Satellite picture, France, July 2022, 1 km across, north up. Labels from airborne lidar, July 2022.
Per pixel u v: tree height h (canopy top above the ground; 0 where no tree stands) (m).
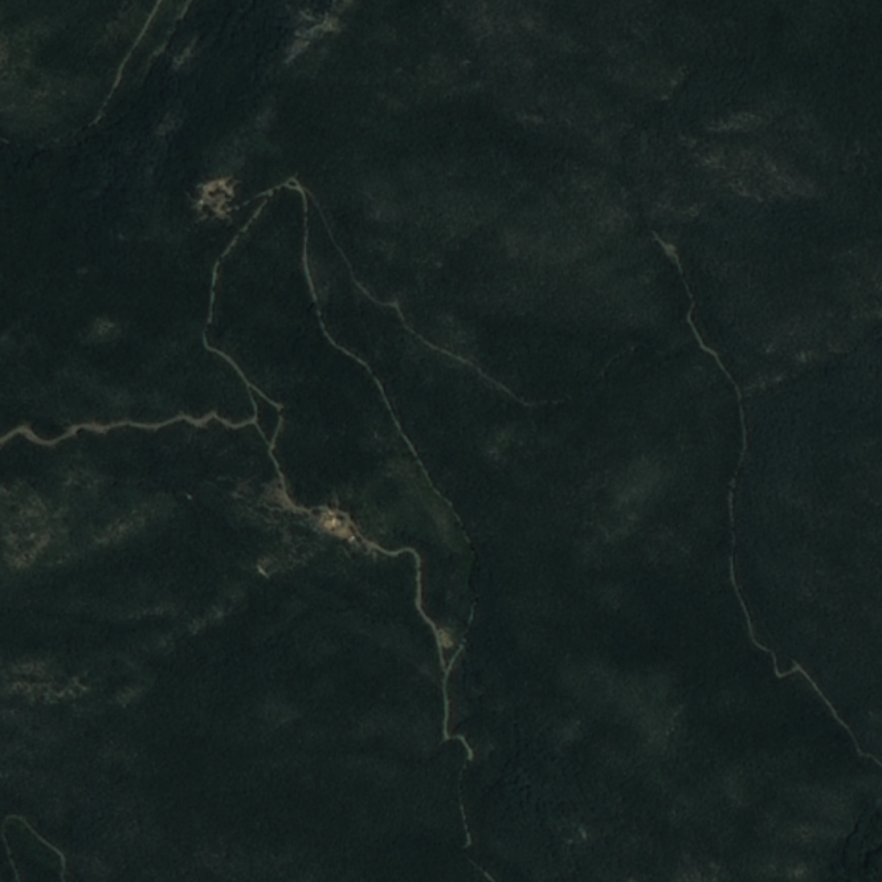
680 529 8
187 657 8
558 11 5
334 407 8
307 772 7
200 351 9
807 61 7
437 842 12
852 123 7
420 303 7
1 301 8
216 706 8
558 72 6
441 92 6
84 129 10
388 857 9
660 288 7
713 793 6
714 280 7
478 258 6
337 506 7
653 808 6
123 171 5
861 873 7
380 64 5
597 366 8
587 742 6
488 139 8
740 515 6
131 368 5
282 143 5
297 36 9
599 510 6
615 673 6
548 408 6
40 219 9
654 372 7
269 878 6
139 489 7
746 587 7
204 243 7
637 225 6
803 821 6
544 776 7
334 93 6
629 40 5
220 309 8
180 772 7
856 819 10
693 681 12
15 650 6
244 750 10
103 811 6
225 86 7
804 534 6
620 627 7
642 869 6
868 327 7
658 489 6
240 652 6
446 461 7
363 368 7
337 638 7
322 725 6
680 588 9
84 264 11
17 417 7
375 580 6
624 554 6
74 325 8
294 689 5
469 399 6
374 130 6
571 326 8
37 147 9
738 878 6
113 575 6
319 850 7
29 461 9
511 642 7
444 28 7
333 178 6
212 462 7
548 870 6
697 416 6
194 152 7
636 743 6
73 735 6
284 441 6
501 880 8
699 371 6
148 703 6
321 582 8
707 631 8
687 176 6
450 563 6
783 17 6
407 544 5
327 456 9
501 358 6
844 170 6
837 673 5
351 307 6
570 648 6
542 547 7
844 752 10
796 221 6
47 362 6
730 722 9
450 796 8
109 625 7
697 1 5
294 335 6
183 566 6
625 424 5
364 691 6
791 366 7
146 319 7
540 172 6
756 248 6
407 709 6
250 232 6
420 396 7
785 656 7
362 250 6
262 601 8
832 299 7
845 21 6
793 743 8
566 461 5
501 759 9
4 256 8
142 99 8
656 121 6
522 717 7
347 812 7
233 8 8
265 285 6
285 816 7
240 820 6
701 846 5
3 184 8
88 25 6
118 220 7
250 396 6
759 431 6
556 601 6
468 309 6
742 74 6
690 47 6
